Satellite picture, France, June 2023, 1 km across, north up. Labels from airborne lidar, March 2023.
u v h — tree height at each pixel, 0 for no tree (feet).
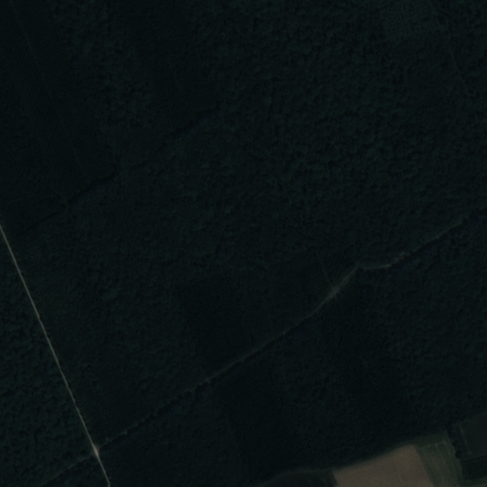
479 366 69
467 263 78
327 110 75
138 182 105
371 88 82
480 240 95
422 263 74
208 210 75
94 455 0
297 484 0
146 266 76
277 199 62
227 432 90
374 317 80
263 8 73
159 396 77
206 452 80
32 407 77
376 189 77
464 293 59
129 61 72
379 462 0
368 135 77
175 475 52
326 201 76
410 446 0
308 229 74
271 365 66
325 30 79
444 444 0
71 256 64
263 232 67
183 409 77
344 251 67
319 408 76
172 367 81
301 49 67
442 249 63
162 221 82
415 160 82
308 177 73
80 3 78
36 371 76
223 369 0
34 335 67
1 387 66
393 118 79
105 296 64
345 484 0
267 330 77
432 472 0
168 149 82
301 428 69
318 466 32
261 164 78
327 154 86
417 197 60
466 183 75
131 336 74
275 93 78
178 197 62
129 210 90
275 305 77
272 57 65
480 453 0
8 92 56
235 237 66
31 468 52
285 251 75
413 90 81
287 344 69
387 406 22
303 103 78
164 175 78
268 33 67
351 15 75
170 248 86
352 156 81
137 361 71
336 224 75
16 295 74
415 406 51
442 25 65
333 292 0
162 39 20
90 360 49
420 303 76
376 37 73
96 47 78
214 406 79
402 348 67
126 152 102
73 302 50
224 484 62
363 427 33
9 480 73
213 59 66
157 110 62
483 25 88
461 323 77
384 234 76
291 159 61
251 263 68
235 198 65
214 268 61
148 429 58
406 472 0
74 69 51
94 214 102
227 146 76
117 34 80
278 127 69
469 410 55
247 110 73
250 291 69
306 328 74
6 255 64
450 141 81
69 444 85
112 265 74
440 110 79
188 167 75
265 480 35
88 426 34
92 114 80
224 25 79
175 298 25
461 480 0
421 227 70
